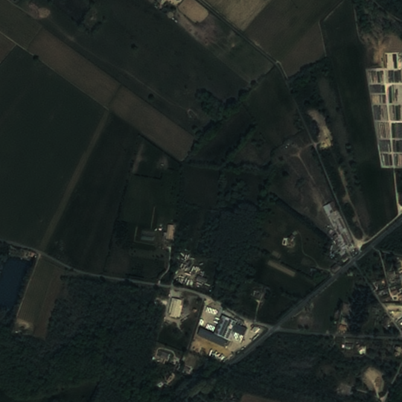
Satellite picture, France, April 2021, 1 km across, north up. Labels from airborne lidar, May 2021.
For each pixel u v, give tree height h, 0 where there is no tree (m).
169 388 9
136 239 0
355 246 0
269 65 0
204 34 0
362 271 7
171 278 10
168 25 0
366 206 0
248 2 0
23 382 20
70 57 0
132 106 0
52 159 0
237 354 9
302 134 0
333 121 0
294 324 0
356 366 17
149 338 16
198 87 0
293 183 0
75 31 0
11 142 0
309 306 9
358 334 13
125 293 19
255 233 22
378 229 0
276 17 0
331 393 15
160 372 14
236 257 16
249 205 17
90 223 0
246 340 0
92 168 0
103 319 16
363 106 0
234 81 0
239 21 0
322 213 0
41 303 0
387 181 0
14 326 20
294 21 0
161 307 19
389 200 0
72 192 0
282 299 0
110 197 0
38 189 0
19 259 0
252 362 7
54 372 20
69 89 0
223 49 0
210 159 0
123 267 0
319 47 0
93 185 0
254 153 0
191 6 0
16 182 0
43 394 25
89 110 0
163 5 5
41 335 0
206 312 0
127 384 17
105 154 0
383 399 0
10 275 0
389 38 0
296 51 0
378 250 0
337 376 0
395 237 6
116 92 0
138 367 20
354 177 0
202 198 0
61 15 0
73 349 20
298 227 0
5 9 0
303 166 0
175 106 0
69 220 0
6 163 0
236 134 0
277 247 0
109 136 0
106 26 0
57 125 0
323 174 8
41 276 0
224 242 24
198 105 0
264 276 0
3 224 0
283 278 0
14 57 0
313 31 0
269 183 13
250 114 6
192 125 0
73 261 0
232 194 8
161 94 0
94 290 22
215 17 0
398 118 0
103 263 0
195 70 0
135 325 15
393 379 14
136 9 0
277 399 15
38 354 11
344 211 12
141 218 0
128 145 0
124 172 0
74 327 10
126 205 0
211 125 10
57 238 0
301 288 0
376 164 0
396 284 0
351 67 0
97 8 0
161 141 0
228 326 0
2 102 0
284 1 0
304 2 0
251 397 0
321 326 0
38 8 0
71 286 8
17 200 0
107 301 16
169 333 0
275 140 0
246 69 0
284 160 13
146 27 0
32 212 0
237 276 13
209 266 0
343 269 0
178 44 0
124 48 0
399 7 19
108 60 0
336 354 9
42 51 0
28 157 0
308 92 0
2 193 0
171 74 0
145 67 0
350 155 16
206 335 0
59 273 0
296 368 7
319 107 8
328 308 0
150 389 29
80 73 0
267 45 0
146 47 0
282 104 0
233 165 16
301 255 0
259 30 0
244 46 0
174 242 10
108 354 23
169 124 0
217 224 16
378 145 0
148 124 0
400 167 0
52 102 0
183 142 0
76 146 0
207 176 0
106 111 0
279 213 0
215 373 8
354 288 0
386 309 0
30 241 0
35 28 0
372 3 13
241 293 11
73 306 8
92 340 18
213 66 0
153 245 0
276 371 10
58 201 0
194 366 0
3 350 20
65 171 0
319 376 0
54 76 0
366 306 17
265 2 0
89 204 0
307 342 6
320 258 0
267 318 0
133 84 0
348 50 0
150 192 0
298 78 11
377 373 0
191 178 0
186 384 19
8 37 0
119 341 24
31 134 0
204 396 14
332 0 0
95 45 0
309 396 11
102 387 19
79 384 19
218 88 0
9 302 0
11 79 0
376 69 0
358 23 8
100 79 0
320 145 0
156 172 0
